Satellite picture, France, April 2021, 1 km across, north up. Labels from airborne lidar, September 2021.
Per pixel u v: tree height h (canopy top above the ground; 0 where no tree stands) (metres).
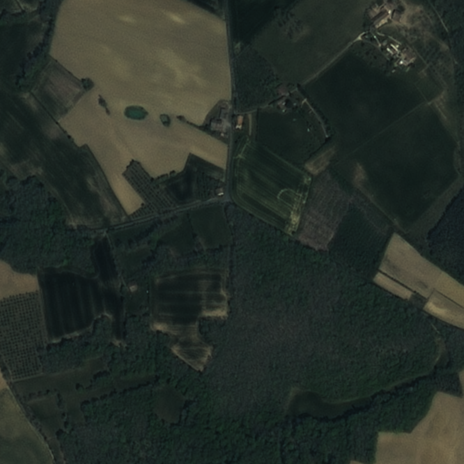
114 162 0
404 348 20
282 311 15
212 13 0
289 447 24
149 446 13
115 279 0
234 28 0
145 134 0
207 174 0
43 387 0
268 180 0
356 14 0
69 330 0
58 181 0
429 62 9
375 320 23
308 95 10
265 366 20
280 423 18
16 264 17
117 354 19
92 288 0
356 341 15
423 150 0
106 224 0
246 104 12
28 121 0
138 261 0
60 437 17
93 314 0
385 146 0
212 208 0
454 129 0
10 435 0
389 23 7
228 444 21
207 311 0
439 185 0
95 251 0
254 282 20
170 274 0
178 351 0
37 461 0
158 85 0
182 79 0
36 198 24
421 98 0
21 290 0
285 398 23
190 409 24
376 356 17
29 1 0
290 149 0
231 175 0
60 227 22
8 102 0
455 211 12
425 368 17
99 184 0
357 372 20
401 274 0
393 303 20
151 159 0
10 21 20
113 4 0
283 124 0
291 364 17
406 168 0
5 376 9
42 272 0
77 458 18
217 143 0
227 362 18
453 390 20
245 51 13
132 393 15
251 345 16
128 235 0
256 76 15
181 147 0
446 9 12
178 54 0
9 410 0
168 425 17
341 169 0
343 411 0
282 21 0
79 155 0
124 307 0
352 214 6
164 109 0
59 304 0
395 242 0
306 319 16
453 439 0
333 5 0
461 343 17
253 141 0
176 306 0
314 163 0
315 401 0
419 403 18
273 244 20
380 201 0
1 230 19
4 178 18
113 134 0
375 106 0
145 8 0
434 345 17
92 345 19
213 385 19
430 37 0
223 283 0
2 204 14
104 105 18
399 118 0
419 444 0
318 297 18
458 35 13
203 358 0
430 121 0
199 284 0
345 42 0
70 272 0
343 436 19
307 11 0
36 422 17
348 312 17
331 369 19
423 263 0
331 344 15
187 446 25
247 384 20
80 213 0
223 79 0
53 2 24
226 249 12
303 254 20
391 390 0
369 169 0
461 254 10
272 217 0
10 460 0
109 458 24
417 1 0
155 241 13
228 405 22
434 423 0
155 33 0
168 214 13
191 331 0
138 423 12
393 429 21
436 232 14
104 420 21
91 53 0
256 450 26
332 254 12
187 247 0
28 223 23
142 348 20
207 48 0
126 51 0
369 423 22
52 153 0
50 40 20
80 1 0
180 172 0
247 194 0
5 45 0
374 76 0
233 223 15
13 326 6
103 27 0
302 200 0
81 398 0
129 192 0
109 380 23
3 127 0
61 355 19
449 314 0
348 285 16
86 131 0
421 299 0
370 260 9
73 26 0
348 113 0
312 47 0
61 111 0
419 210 0
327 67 0
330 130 13
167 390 0
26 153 0
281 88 0
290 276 18
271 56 0
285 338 17
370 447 21
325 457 24
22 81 18
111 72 0
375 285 10
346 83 0
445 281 0
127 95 0
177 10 0
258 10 0
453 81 0
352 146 0
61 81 0
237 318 16
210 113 0
